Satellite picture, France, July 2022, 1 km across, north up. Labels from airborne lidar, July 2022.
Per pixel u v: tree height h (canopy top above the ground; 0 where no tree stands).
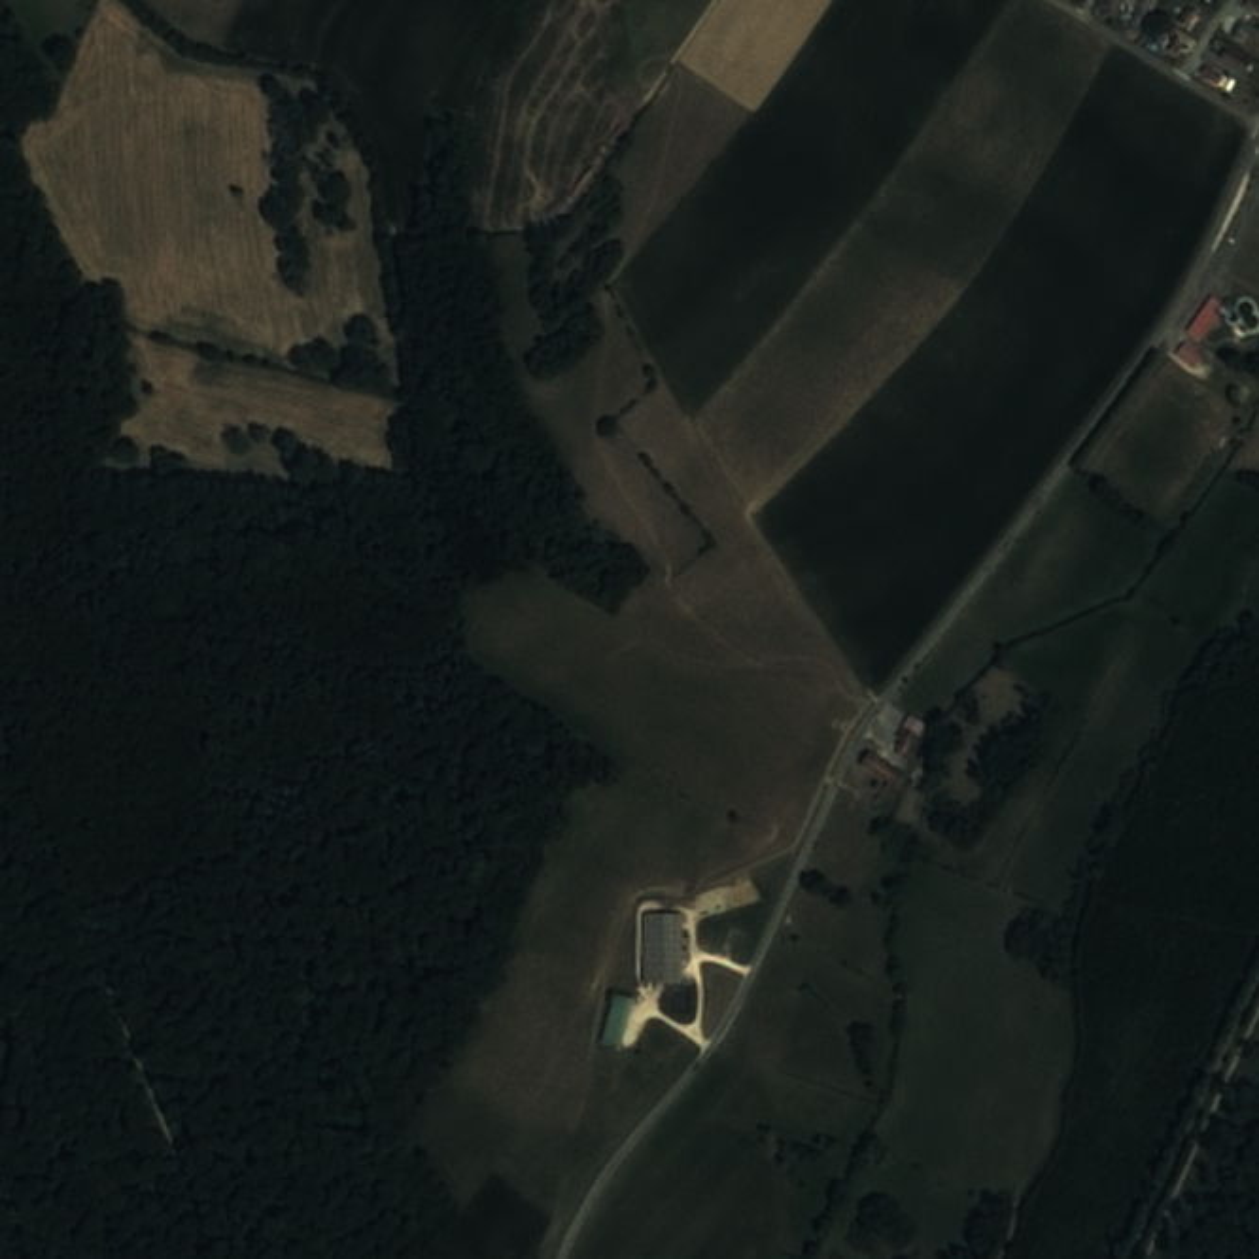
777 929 0
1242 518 0
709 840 0
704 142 0
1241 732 7
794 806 0
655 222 0
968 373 0
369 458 0
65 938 29
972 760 0
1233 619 0
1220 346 0
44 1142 27
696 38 0
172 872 14
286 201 23
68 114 0
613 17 0
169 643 23
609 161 8
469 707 24
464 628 13
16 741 20
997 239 0
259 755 20
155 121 0
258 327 0
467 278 20
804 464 0
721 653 0
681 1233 0
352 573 28
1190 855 5
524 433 15
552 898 0
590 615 0
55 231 23
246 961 27
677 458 0
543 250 11
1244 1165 24
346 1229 30
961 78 0
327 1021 32
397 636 22
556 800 24
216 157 0
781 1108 0
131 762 18
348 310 0
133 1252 26
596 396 0
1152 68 0
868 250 0
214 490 27
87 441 29
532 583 0
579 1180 0
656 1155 0
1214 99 0
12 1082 27
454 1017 31
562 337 10
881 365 0
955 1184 0
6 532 23
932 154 0
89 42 0
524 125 0
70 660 21
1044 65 0
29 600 20
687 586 0
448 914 29
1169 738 8
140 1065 16
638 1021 0
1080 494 0
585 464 0
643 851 0
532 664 0
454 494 26
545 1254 0
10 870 27
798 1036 0
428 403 26
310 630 20
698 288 0
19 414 21
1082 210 0
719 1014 0
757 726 0
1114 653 0
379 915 30
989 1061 0
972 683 0
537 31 0
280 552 38
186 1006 32
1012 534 0
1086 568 0
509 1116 0
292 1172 27
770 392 0
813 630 0
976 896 0
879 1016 0
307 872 32
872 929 0
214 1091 28
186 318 0
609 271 11
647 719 0
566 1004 0
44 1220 29
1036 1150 0
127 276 0
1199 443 0
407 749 21
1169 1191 11
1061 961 14
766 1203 0
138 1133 29
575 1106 0
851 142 0
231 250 0
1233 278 0
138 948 27
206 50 10
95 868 21
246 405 0
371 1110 29
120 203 0
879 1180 0
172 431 0
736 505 0
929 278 0
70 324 33
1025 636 0
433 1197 26
